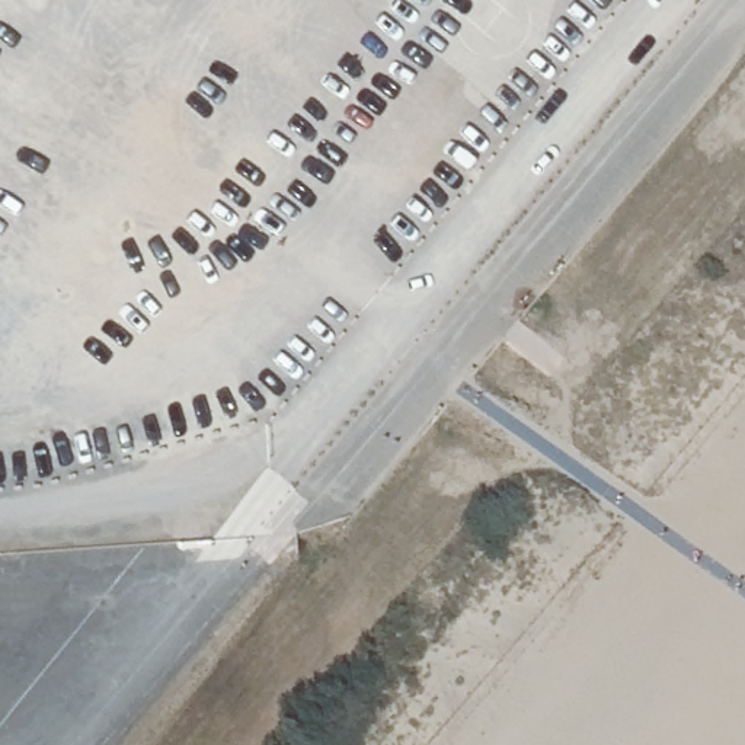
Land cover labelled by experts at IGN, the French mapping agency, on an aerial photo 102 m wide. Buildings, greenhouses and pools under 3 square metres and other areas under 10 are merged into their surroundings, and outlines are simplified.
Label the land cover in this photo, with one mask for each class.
<instances>
[{"label":"impervious surface","instance_id":"1","mask_svg":"<svg viewBox=\"0 0 745 745\"><path fill-rule=\"evenodd\" d=\"M745 52V0H0V745H122L125 736L140 725V719L151 710V704H157L166 696L175 678L183 672V666L204 649L212 632L224 623V617L265 576L268 562H276L279 556H294L297 538L306 533H346L349 524L358 518L361 506L390 480L399 463L410 454V448L434 431L437 419L445 416L451 407H460L471 419L483 422L489 431H498L515 451L527 457L533 469H553L570 480H579L582 486H588L597 503L611 501L655 535L664 533L666 524L643 506H637L626 492L608 486L588 469H582L562 448L538 437L533 428L501 410L489 399L492 396L477 381V370L498 346H509L515 355L527 358L538 373L553 378L562 370L565 358L547 338L524 326L518 320V311L530 308L535 294H547L565 271H570L582 259V250L611 221L617 207L652 172V166L669 151L678 134L687 128V122L704 108V102L716 93L722 79Z\"/></svg>","mask_w":745,"mask_h":745},{"label":"herbaceous vegetation","instance_id":"2","mask_svg":"<svg viewBox=\"0 0 745 745\"><path fill-rule=\"evenodd\" d=\"M745 73V52L722 79L716 93L704 102V108L687 122V128L678 134L669 151L652 166V172L617 207L611 221L582 250V259L570 271H565L547 294H535L530 308L518 311V320L524 326L547 338H556L567 320L582 323V314L588 308H597L608 323H617V349L611 355L591 358V375L582 387L573 390L570 402V442L602 469H632L629 451H640L649 457L658 442H666L690 422V413L722 387V378H713L704 370V358H710L713 364L728 361L730 373H736L739 361L745 358V146L736 143L730 151L719 148L713 157H707L698 148V134L710 119L719 116L725 96H736L733 84ZM701 253H716L725 262L722 279H707L698 274L696 262L701 259ZM477 381L492 396L512 402L530 413L535 402L518 396V390L530 384L559 399L562 387L553 378L538 373L527 358L515 355L509 346H498L477 370ZM448 448H466L477 460H509L515 457V451L498 431H489L483 422L471 419L460 407H451L445 416L437 419L434 431L410 448V454L399 463L390 480L361 506L358 518L349 524L346 533H306L297 538L294 556H279L276 562H268L265 576L224 617V623L212 632L204 649L183 666V672L175 678L166 696L157 704H151V710L140 719V725L125 736L122 745H265V736L276 730L282 696L297 687V681L326 672L340 655H349L358 646L361 634L373 629L378 617H384L387 605L396 597L405 594L407 599L419 602L413 629L428 646L442 643L445 629L463 614L469 599L483 602L492 591H515V599L521 602L527 597V588H533V567L538 562L533 553L535 544H550L559 535L562 515H573V509L579 506L594 512L597 503L588 486H582L579 480H570L553 469H533L515 474L533 498L535 527L524 530L509 544L506 559L486 556L477 538L463 530L469 495H442L431 486V471L445 460ZM402 681L396 687V696L384 710H378L364 745H405V736L393 725L399 722L402 710H407L410 698L422 690L419 661L399 666Z\"/></svg>","mask_w":745,"mask_h":745},{"label":"bare soil","instance_id":"3","mask_svg":"<svg viewBox=\"0 0 745 745\"><path fill-rule=\"evenodd\" d=\"M736 96H725L719 116L710 119L698 134V148L707 157H713L719 148L730 151L736 143L745 146V73L733 84ZM565 358L562 370L553 378L562 387L559 399L530 384L518 390V396L535 402L530 413L512 402L492 396L489 399L501 410L533 428L538 437L562 448L582 469H588L608 486L626 492L637 506H643L666 524L664 533L655 535L611 501L597 503L594 512L579 506L573 509V515H562L559 535L550 544H535L533 553L538 562L533 567V588H527V597L521 602L515 599V591H492L483 602L469 599L463 614L445 629L442 643L428 646V652L419 661L422 690L410 698L407 710H402L399 722L393 725L405 736V745H745V358L739 361L736 373H730L728 361L713 364L710 358H704V370L713 378H722V387L690 413V422L666 442H658L649 457L640 451H629L632 469H602L570 442V402L573 390L582 387L591 375V358L611 355L617 349V323H608L597 308H588L582 314V323L567 320L556 338H547ZM533 469L527 457L515 451V457L509 460H477L466 448H448L445 460L431 471V486L442 495H469L477 486H489L515 474Z\"/></svg>","mask_w":745,"mask_h":745},{"label":"brushwood","instance_id":"4","mask_svg":"<svg viewBox=\"0 0 745 745\"><path fill-rule=\"evenodd\" d=\"M698 274L707 279H722L725 262L716 253H701V259L696 262ZM535 527L533 498L515 474L489 486H477L469 495L463 530L477 538L486 556L506 559L509 544L524 530ZM419 602L407 599L405 594L396 597L387 605L384 617H378L373 629L361 634L358 646L349 655H340L326 672L297 681V687L282 696L276 730L265 736V745H364L378 710H384L396 696V687L402 681L399 666L419 661L428 652V646L413 629Z\"/></svg>","mask_w":745,"mask_h":745}]
</instances>
